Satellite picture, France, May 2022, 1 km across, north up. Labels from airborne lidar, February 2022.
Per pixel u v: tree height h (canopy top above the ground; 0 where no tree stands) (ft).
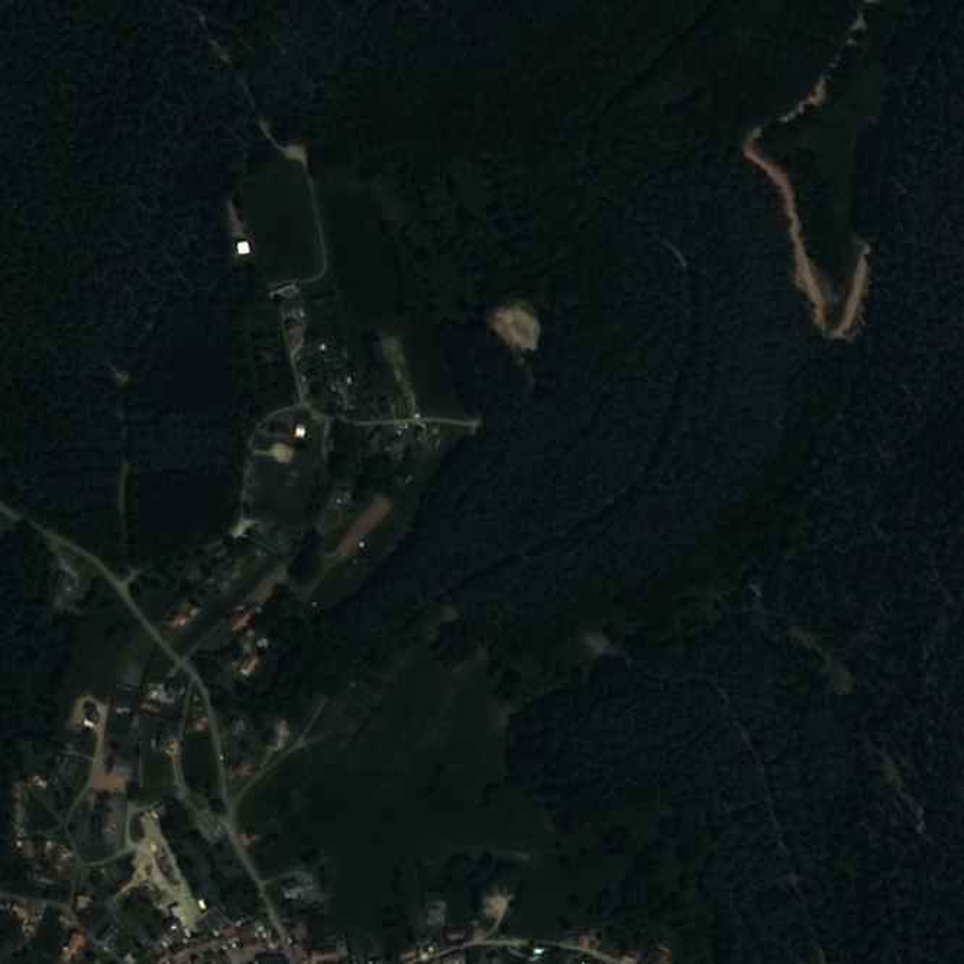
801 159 63
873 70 0
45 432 64
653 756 83
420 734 0
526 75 47
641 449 79
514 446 76
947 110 114
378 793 0
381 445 35
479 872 32
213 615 0
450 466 45
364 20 67
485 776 0
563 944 0
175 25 88
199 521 46
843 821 53
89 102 52
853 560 38
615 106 59
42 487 44
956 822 91
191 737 0
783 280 67
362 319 0
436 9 62
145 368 49
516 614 81
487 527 84
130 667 0
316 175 45
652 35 61
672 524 79
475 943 0
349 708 0
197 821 0
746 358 93
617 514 73
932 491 48
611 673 88
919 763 95
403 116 55
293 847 0
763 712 69
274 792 0
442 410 0
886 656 97
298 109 62
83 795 0
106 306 78
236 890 38
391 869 0
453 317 0
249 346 43
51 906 0
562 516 77
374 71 54
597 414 66
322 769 0
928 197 93
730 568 63
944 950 100
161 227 72
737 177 79
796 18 60
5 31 81
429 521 60
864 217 64
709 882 81
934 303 97
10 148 81
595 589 75
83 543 50
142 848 0
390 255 0
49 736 32
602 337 62
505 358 61
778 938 96
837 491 88
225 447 71
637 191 79
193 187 51
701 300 81
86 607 28
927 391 97
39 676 0
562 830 58
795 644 65
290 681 36
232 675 0
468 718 0
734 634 77
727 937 73
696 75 52
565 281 73
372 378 28
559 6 60
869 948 105
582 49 56
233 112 92
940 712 87
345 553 0
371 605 71
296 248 0
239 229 0
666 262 79
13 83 80
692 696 81
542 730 100
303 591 0
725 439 78
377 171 55
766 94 59
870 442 114
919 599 60
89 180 70
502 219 72
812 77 54
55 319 75
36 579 57
